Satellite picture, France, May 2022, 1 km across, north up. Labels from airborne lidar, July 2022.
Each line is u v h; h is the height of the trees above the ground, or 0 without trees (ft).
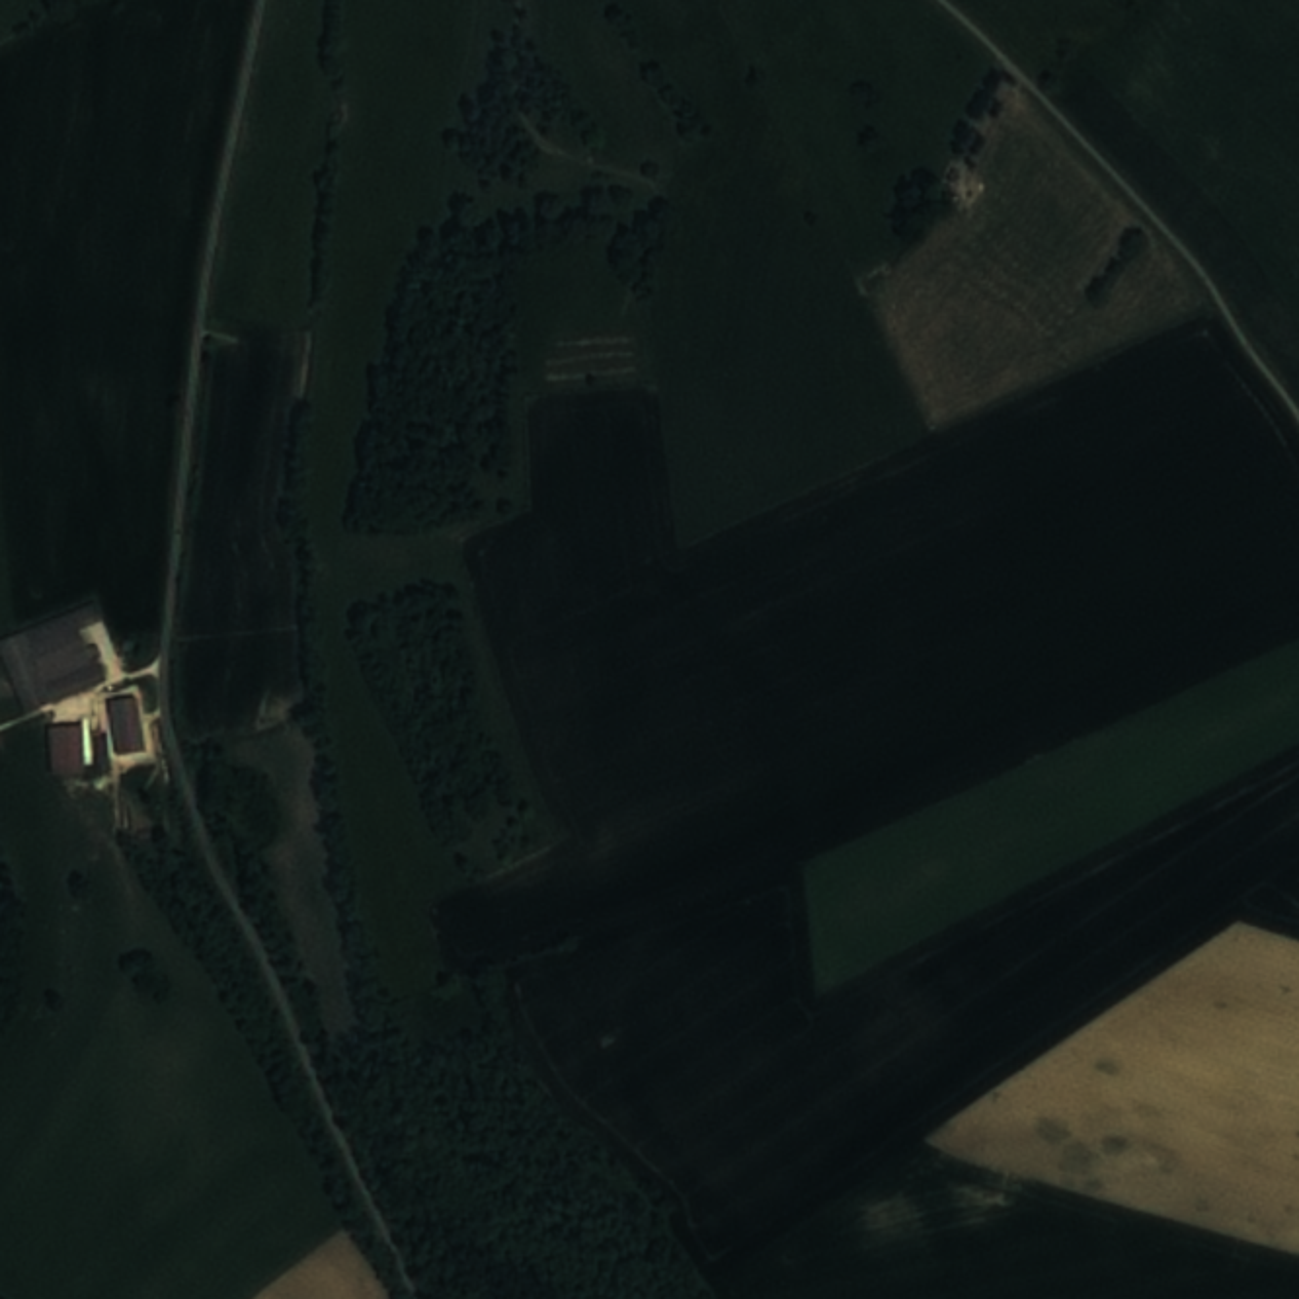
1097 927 0
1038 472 0
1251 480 0
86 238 0
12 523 0
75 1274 0
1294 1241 0
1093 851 0
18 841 0
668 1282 66
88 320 0
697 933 0
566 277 0
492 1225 91
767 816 0
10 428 0
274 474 0
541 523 0
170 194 0
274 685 0
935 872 0
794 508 0
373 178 0
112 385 0
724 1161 0
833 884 0
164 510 0
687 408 0
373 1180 79
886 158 0
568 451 0
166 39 0
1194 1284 0
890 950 0
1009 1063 0
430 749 47
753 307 0
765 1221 0
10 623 0
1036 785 0
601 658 0
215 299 0
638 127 0
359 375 0
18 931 75
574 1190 63
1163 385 0
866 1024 0
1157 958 0
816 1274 0
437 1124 71
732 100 0
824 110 0
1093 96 0
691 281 0
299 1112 51
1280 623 0
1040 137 0
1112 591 0
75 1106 0
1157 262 0
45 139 0
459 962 0
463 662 37
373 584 0
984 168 0
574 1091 0
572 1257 77
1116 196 0
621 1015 0
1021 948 0
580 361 0
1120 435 0
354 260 0
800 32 0
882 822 0
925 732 0
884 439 0
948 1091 0
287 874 0
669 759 0
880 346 0
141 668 0
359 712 0
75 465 0
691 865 0
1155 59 0
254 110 0
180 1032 0
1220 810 0
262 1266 0
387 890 0
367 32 0
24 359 0
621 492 0
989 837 0
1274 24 0
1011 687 0
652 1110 0
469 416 42
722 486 0
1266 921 0
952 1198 0
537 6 0
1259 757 0
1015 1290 0
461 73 0
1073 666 0
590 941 0
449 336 58
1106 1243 0
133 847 33
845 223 0
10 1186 0
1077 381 0
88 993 0
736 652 0
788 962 0
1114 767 0
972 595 0
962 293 0
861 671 0
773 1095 0
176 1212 0
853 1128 0
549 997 0
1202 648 0
